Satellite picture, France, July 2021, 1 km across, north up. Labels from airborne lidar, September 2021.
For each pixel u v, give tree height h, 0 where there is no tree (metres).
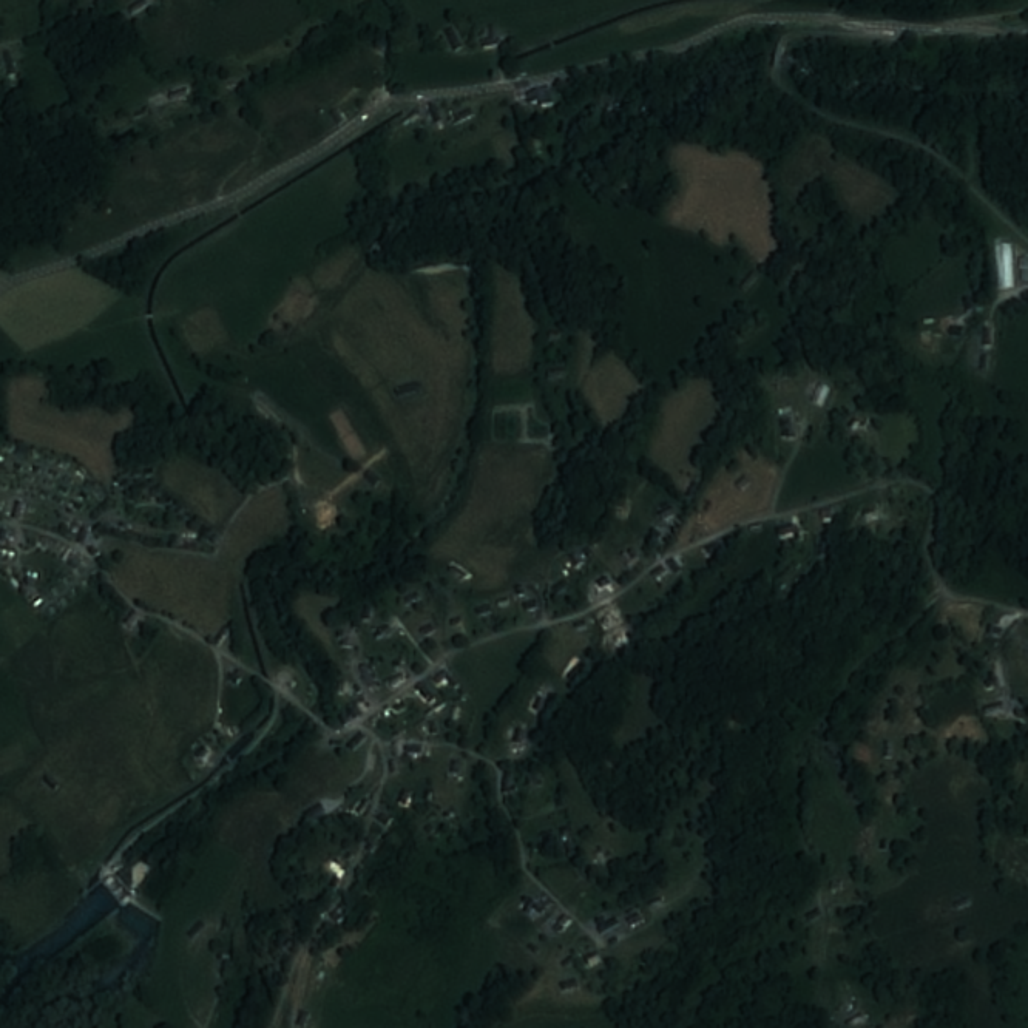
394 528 15
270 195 0
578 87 15
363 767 0
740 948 20
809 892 22
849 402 0
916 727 0
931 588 17
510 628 10
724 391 19
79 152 24
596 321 17
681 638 16
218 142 0
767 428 13
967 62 13
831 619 18
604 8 0
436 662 0
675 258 0
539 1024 0
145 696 0
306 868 8
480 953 0
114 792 0
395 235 18
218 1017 0
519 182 19
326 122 0
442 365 0
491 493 0
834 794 0
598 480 23
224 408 14
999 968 10
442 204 19
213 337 0
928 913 0
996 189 22
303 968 0
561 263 8
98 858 0
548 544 18
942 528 21
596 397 0
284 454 16
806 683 17
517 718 0
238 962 9
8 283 0
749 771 21
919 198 15
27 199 18
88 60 22
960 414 19
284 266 0
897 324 22
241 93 19
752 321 16
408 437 0
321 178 0
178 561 0
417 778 0
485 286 22
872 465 15
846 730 24
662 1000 15
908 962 0
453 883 8
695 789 17
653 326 0
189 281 0
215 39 0
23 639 0
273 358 0
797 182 0
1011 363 0
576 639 0
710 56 20
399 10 18
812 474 0
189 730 0
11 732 0
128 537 11
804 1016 13
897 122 13
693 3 0
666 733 16
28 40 12
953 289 0
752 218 0
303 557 26
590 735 22
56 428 0
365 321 0
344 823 15
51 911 0
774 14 0
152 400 10
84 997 11
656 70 18
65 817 0
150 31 0
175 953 0
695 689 19
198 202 0
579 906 0
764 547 0
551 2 0
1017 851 0
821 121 19
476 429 20
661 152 11
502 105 6
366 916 13
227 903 0
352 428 0
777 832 17
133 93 0
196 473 0
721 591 0
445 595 0
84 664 0
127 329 0
